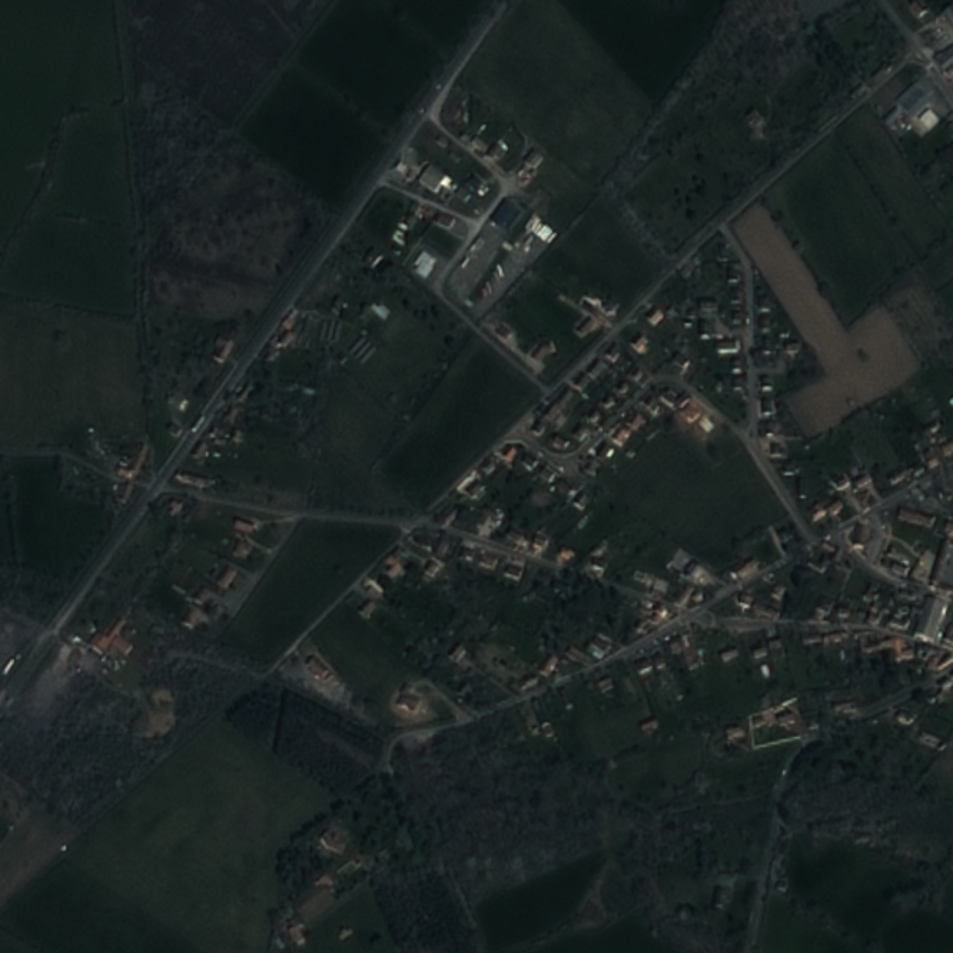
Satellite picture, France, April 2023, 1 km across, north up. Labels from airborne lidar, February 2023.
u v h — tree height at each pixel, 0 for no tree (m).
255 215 9
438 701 0
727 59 15
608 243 0
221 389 0
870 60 11
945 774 0
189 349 7
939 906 20
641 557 8
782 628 10
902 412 0
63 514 0
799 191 0
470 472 0
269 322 0
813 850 0
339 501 0
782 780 0
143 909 0
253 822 0
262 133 0
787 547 11
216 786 0
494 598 0
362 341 0
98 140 0
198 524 0
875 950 14
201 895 0
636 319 0
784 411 6
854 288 0
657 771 0
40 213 0
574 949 0
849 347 0
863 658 11
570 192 0
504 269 0
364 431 0
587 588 17
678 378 0
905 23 0
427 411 0
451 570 0
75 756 7
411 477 0
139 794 0
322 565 0
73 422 0
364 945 0
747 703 0
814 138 10
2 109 0
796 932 0
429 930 14
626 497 0
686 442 0
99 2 0
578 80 0
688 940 10
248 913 0
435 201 0
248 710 16
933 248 8
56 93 0
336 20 0
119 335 0
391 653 0
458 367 0
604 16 0
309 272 0
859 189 0
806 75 0
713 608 0
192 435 0
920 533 0
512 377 0
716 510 0
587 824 15
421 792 14
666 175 0
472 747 8
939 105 0
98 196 0
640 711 0
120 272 0
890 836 9
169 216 0
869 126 0
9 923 0
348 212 0
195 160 9
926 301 0
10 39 0
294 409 8
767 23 15
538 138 0
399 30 0
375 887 11
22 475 0
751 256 0
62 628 0
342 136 0
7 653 0
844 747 11
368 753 14
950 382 0
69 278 0
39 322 0
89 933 0
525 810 18
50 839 0
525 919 0
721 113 0
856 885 0
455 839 20
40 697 0
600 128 0
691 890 0
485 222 0
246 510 0
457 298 0
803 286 0
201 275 0
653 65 0
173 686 6
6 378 0
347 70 0
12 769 8
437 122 0
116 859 0
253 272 0
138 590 8
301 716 16
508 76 0
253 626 0
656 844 23
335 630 0
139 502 0
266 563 0
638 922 0
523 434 0
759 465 0
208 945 0
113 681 0
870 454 0
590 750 0
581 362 0
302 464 0
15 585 13
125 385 0
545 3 0
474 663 8
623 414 0
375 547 0
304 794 0
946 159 7
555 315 0
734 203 13
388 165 0
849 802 15
